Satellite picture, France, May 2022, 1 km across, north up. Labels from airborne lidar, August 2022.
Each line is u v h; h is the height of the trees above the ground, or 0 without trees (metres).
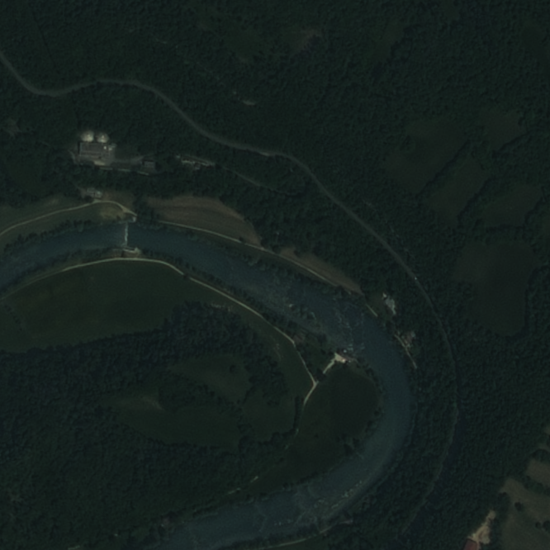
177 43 10
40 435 15
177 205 0
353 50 20
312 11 22
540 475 0
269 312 8
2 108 27
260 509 0
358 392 0
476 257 0
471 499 12
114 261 0
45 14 19
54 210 0
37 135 19
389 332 15
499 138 0
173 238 0
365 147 12
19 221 0
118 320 0
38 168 17
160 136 20
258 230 24
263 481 0
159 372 21
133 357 22
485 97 18
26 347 0
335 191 18
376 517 26
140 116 14
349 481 0
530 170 17
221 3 20
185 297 0
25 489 21
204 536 0
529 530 0
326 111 15
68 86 15
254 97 12
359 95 21
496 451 8
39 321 0
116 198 0
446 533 14
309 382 0
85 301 0
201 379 0
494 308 0
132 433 15
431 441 28
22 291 0
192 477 23
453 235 11
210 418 0
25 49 18
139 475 18
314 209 31
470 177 0
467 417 24
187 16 22
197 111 24
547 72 0
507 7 20
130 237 0
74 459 18
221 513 0
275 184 11
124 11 18
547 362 18
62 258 13
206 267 0
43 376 26
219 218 0
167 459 23
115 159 0
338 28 20
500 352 9
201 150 21
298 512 0
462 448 22
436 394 33
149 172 0
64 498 21
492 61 16
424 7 22
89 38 16
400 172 0
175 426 0
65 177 14
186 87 21
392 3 17
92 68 21
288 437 16
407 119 17
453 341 16
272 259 0
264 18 16
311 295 0
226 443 0
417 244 8
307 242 14
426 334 23
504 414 17
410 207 15
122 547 0
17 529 29
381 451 0
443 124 0
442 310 21
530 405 15
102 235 0
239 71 21
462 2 23
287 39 0
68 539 19
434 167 0
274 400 13
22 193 8
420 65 23
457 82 17
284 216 19
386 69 25
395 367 0
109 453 25
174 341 33
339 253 23
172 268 0
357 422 0
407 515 26
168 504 18
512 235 19
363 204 18
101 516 22
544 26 18
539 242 10
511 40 20
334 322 0
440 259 14
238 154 21
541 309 22
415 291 24
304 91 17
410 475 26
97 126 20
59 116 19
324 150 15
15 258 0
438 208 0
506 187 16
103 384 19
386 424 0
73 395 23
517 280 0
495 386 13
